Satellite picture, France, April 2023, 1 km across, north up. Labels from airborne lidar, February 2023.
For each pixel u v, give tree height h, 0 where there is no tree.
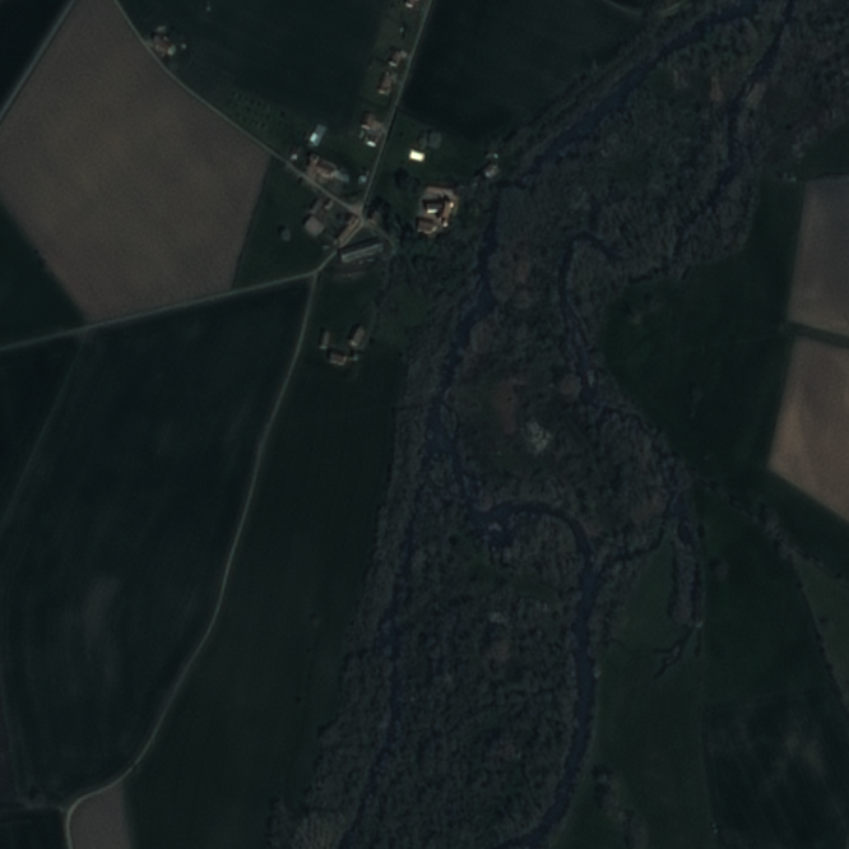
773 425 0
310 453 0
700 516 0
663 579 0
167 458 0
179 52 0
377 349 0
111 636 0
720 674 0
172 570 0
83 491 0
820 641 11
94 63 0
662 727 0
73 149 0
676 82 0
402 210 0
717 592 0
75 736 0
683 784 0
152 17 0
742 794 0
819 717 0
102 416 0
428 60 0
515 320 13
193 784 0
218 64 0
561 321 16
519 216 31
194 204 0
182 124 0
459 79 0
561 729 20
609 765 0
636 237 29
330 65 0
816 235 0
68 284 0
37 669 0
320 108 0
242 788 0
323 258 0
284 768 0
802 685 0
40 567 0
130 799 0
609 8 0
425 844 9
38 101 0
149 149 0
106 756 0
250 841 0
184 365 0
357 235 0
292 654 0
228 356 0
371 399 0
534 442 7
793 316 0
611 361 0
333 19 0
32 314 0
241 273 0
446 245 12
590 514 18
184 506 0
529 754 10
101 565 0
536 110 0
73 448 0
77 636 0
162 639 0
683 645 0
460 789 16
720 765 0
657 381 0
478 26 0
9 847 0
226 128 0
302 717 0
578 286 29
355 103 0
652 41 14
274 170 0
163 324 0
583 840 0
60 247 0
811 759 0
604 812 21
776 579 0
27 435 0
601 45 0
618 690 0
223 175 0
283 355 0
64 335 0
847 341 0
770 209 0
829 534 0
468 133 0
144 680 0
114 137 0
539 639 13
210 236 0
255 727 0
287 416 0
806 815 0
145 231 0
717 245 23
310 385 0
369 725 12
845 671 0
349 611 0
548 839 20
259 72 0
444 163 0
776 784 0
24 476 0
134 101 0
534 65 0
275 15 0
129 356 0
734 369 0
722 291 0
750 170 22
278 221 0
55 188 0
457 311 14
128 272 0
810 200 0
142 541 0
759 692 0
